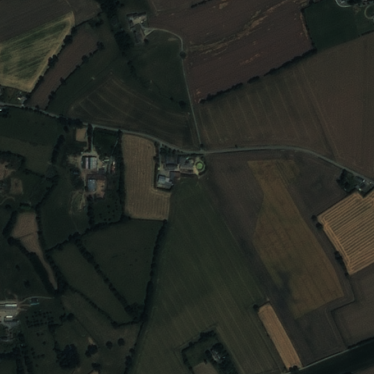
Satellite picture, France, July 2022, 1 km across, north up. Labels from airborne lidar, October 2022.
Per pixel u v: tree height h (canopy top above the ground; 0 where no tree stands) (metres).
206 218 0
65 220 0
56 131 0
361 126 0
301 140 0
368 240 0
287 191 0
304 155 0
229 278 0
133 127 0
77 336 0
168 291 0
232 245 0
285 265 0
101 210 0
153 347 0
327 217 0
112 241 0
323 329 0
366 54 0
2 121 0
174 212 0
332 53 0
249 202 0
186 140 0
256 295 0
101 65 0
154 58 0
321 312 0
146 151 0
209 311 0
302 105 0
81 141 0
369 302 0
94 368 19
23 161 16
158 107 0
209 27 0
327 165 0
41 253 0
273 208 0
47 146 0
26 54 0
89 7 0
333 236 0
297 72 0
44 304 0
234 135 0
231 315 0
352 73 0
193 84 0
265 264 0
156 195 0
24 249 13
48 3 0
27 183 0
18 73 0
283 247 0
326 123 0
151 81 0
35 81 0
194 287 0
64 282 12
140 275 0
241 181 0
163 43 0
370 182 0
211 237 0
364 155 0
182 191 0
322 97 0
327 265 0
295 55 0
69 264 0
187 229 0
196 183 0
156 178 7
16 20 0
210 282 0
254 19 0
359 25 0
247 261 0
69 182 0
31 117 0
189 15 0
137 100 0
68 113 0
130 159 0
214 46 0
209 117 0
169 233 0
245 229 0
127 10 0
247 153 0
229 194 0
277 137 0
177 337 0
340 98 0
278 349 0
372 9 0
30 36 0
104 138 0
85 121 0
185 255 0
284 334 0
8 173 0
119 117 0
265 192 0
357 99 0
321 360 0
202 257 0
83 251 18
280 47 0
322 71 0
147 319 13
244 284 0
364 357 0
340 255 9
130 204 0
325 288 0
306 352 0
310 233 0
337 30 0
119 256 0
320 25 0
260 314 0
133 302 0
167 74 0
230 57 0
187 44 0
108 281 14
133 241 0
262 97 0
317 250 0
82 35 0
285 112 0
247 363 0
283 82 0
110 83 0
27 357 17
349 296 0
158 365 0
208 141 0
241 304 0
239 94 0
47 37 0
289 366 0
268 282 0
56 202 0
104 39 0
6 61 0
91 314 0
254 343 0
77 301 0
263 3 0
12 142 0
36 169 0
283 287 0
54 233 0
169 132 0
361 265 0
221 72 0
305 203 0
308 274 0
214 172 0
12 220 13
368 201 0
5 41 0
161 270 0
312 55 9
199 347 0
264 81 0
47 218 0
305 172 0
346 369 0
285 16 0
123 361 0
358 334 0
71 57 0
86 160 0
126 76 0
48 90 0
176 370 0
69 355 32
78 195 0
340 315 0
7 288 0
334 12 0
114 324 13
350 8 0
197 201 0
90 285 0
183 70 0
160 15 0
